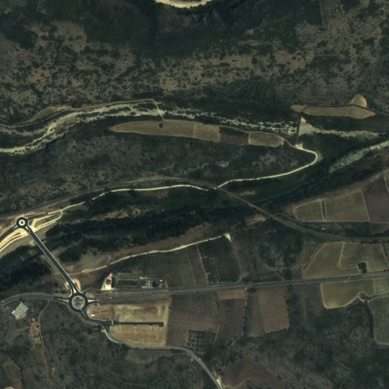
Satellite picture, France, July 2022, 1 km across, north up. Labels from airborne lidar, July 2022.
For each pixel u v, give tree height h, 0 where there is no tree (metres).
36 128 6
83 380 0
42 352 0
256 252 0
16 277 9
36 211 0
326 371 0
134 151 0
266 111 7
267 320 0
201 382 0
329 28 0
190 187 8
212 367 0
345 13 0
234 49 0
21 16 0
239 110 6
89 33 0
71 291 0
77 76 6
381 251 0
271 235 6
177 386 0
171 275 0
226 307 0
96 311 0
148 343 0
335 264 0
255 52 0
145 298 0
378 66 0
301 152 0
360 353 0
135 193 10
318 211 0
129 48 0
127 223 16
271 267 0
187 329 0
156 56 0
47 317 0
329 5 0
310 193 13
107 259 0
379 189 0
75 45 0
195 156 0
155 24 9
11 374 0
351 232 6
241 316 0
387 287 0
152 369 0
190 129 0
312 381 0
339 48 0
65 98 8
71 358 0
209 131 0
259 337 0
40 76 0
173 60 0
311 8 0
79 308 0
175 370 0
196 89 0
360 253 0
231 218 6
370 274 0
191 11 7
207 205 6
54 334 0
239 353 0
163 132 0
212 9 8
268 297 0
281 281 0
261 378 0
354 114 0
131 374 0
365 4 0
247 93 14
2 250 0
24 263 7
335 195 0
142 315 0
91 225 18
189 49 0
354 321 0
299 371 0
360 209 0
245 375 0
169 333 0
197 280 0
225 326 0
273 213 7
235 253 0
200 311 0
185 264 0
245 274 0
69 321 0
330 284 0
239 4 15
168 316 0
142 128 0
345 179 6
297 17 0
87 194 7
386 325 0
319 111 0
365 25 0
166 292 0
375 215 0
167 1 0
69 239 19
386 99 0
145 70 6
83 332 0
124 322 0
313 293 0
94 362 0
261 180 6
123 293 0
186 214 6
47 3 0
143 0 10
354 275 0
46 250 0
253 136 0
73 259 6
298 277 0
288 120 7
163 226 16
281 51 0
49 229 0
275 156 0
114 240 7
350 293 0
